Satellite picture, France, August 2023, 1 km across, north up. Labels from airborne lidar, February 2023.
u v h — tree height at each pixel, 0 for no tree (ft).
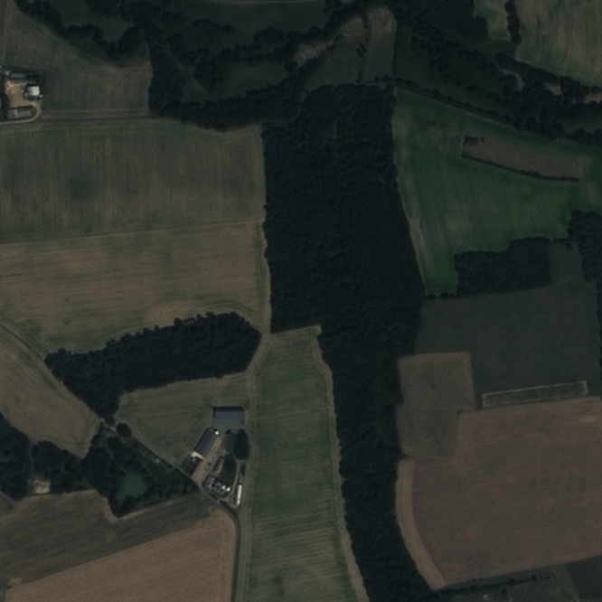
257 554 0
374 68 0
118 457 50
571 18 0
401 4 46
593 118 0
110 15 60
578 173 0
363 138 19
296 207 58
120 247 0
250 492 0
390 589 66
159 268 0
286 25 0
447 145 0
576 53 0
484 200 0
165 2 38
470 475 0
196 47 0
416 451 0
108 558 0
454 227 0
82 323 0
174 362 51
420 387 0
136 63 0
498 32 0
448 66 66
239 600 0
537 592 0
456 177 0
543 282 55
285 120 26
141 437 0
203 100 0
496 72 56
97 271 0
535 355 0
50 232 0
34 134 0
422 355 0
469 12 49
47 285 0
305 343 0
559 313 0
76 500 0
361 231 77
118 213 0
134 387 58
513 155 0
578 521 0
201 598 0
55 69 0
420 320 52
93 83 0
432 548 0
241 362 35
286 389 0
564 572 0
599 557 0
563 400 0
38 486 0
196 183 0
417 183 0
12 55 0
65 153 0
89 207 0
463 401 0
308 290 66
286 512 0
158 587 0
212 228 0
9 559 0
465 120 0
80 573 0
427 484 0
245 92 0
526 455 0
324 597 0
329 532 0
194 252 0
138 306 0
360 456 72
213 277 0
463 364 0
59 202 0
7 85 0
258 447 0
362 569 38
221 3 0
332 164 55
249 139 0
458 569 0
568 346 0
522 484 0
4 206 0
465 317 0
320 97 44
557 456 0
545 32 0
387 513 62
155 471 0
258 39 44
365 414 83
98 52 0
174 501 29
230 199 0
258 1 0
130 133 0
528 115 48
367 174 59
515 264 66
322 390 0
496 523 0
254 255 0
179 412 0
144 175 0
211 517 0
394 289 54
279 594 0
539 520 0
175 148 0
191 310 0
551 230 0
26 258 0
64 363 68
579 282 0
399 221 44
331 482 0
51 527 0
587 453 0
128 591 0
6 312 0
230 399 0
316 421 0
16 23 0
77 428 0
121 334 0
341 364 70
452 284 0
